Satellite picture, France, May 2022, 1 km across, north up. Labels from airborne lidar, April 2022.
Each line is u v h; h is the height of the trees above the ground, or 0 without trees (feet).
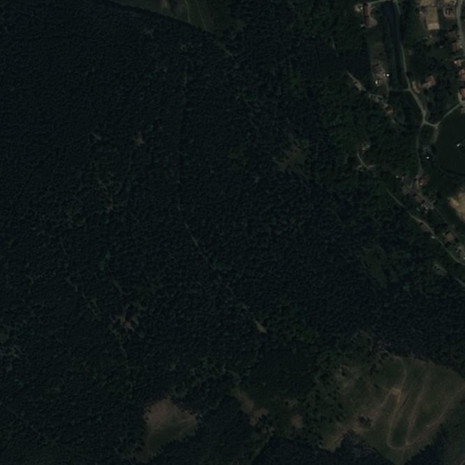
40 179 35
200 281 81
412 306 103
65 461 22
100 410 57
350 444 99
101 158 25
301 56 82
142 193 91
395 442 0
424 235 33
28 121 65
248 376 51
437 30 0
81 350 53
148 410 87
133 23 86
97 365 47
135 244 98
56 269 51
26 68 78
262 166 99
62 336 47
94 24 81
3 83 86
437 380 0
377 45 0
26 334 50
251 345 65
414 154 21
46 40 59
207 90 98
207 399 77
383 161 41
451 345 46
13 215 40
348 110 59
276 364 55
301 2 50
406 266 102
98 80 62
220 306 75
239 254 79
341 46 46
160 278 59
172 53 84
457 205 0
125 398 67
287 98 88
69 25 70
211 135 85
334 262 100
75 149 41
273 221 84
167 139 84
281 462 109
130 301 53
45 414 41
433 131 0
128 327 0
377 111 53
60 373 50
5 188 72
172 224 100
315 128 74
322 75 62
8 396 48
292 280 102
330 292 107
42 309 24
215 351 90
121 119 75
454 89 0
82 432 61
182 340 58
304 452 115
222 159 96
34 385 38
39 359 50
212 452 35
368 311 113
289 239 102
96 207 27
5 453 40
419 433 0
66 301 52
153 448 0
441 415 0
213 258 78
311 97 78
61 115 69
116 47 72
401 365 0
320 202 109
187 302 61
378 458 111
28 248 29
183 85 37
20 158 53
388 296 95
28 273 47
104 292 48
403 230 68
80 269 55
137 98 71
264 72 44
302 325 88
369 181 67
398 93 61
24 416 33
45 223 30
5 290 49
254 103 97
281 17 59
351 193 63
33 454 26
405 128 30
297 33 57
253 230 88
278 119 86
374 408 0
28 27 65
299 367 59
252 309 99
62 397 46
